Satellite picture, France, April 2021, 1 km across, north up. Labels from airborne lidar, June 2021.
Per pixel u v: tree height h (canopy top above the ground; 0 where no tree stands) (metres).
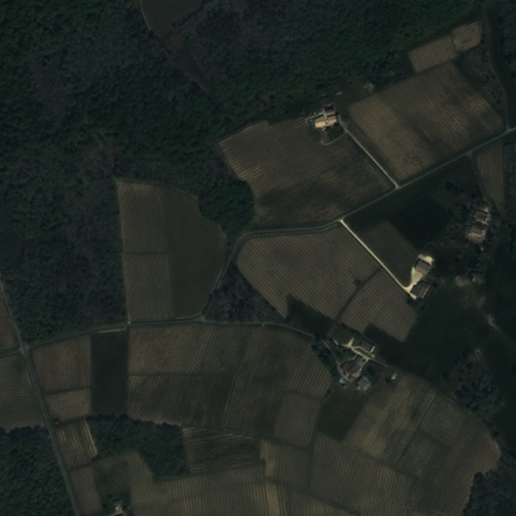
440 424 0
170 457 17
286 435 0
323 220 0
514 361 0
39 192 18
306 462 0
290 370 0
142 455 14
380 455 0
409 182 0
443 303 0
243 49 18
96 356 0
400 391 0
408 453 0
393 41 23
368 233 0
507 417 0
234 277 21
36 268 17
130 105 22
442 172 0
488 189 0
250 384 0
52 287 21
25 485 13
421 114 0
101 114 24
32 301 23
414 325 0
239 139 0
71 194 17
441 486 0
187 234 0
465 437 0
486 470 0
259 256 0
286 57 19
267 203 0
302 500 0
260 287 0
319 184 0
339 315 0
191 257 0
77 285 17
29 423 0
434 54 0
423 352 0
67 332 19
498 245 0
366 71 13
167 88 24
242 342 0
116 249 18
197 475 0
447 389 0
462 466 0
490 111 0
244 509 0
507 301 0
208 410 0
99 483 0
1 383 0
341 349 7
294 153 0
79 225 16
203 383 0
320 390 0
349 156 0
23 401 0
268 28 18
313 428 0
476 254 0
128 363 0
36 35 21
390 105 0
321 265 0
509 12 12
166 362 0
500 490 21
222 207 18
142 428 18
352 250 0
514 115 0
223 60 21
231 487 0
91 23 22
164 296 0
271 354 0
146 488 0
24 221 22
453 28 0
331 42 23
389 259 0
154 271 0
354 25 21
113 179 17
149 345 0
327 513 0
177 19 0
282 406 0
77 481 0
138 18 23
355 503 0
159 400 0
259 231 0
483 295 0
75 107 8
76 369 0
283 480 0
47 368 0
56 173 16
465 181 0
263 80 22
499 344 0
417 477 0
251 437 0
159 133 27
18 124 16
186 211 0
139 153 22
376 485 0
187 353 0
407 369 0
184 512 0
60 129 17
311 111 0
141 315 0
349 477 0
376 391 0
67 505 7
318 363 0
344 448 0
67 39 21
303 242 0
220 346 0
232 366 0
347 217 0
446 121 0
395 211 0
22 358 0
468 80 0
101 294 20
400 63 6
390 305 0
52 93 8
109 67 18
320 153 0
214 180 19
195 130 23
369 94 0
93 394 0
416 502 0
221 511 0
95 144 19
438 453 0
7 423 0
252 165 0
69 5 26
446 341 0
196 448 0
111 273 16
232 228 21
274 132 0
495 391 16
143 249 0
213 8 14
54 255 19
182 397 0
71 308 26
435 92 0
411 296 8
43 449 20
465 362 12
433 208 0
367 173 0
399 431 0
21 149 21
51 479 16
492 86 14
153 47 20
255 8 21
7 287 19
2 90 15
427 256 0
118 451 21
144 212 0
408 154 0
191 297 0
